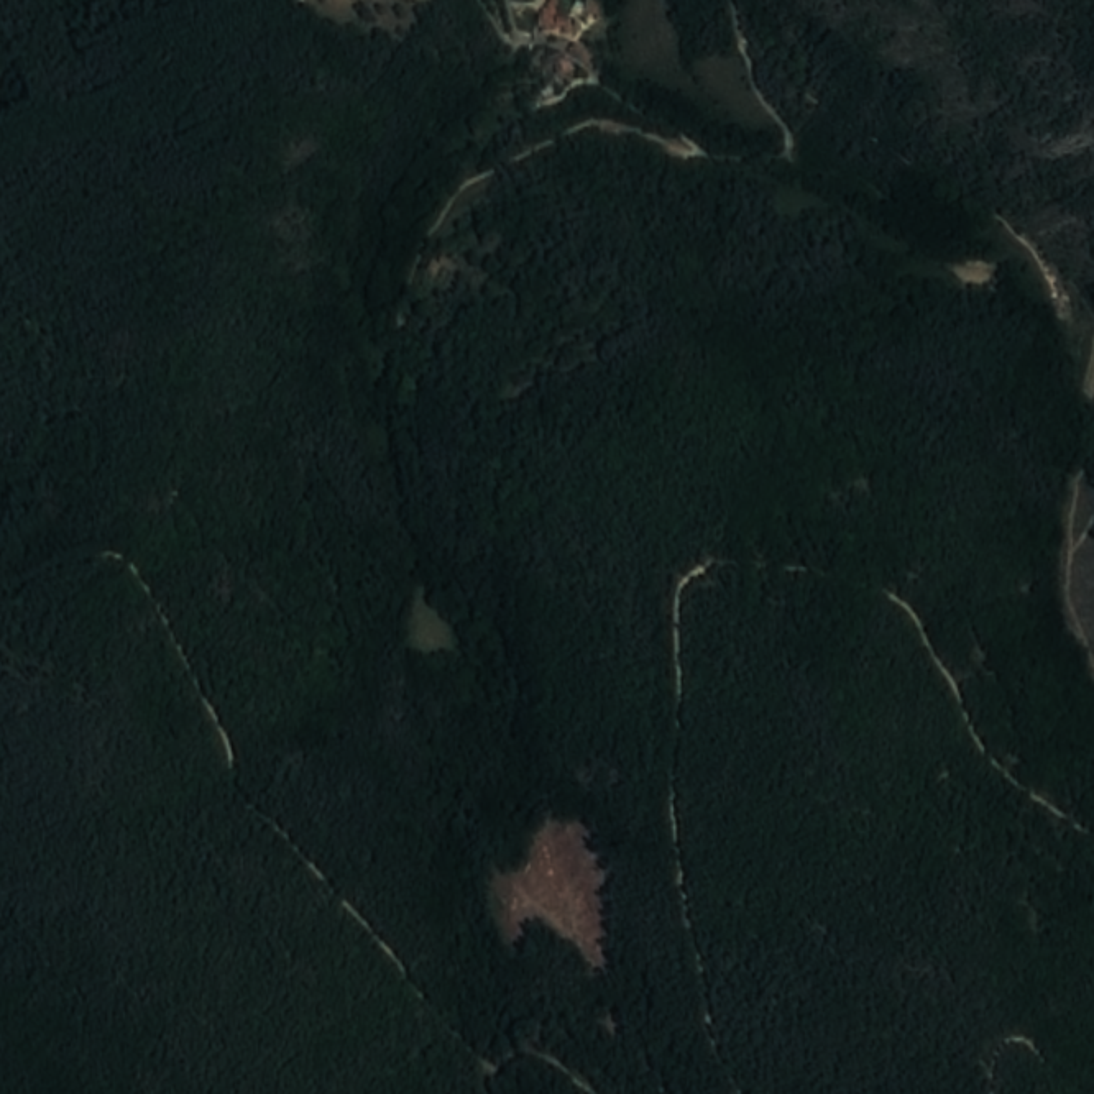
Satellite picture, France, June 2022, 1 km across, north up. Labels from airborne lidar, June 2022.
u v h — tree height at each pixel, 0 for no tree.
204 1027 20
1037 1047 10
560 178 11
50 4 22
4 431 25
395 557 22
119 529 14
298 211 7
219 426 12
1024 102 10
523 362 11
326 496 23
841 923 11
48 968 15
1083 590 0
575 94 7
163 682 14
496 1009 20
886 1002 10
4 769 19
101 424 19
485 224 17
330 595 16
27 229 17
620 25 8
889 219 13
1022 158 9
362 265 18
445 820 17
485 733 20
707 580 12
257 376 19
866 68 25
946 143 9
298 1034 17
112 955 18
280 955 20
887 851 14
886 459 17
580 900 0
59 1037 16
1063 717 17
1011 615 20
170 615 15
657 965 18
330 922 15
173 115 23
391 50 16
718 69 0
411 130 17
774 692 9
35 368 9
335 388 19
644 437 16
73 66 27
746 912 10
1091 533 0
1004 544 22
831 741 10
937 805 19
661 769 12
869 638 15
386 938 22
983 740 13
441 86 12
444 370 17
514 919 0
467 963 14
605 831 22
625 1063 23
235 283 13
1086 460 13
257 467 17
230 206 15
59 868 16
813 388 14
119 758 15
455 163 12
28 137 17
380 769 26
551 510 16
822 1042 14
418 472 22
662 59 0
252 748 14
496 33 8
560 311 9
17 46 21
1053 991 18
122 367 17
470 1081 29
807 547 15
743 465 14
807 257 15
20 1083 12
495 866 34
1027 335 23
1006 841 8
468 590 19
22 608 13
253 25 24
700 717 13
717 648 9
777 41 7
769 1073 13
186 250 15
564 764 14
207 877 23
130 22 19
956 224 12
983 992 12
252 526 18
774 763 11
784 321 16
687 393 16
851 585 16
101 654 12
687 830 12
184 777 14
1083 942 19
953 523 18
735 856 14
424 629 0
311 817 25
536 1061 20
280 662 16
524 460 15
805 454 15
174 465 12
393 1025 21
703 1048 20
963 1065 11
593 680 16
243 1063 20
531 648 17
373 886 22
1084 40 12
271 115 14
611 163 15
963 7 9
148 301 19
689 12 17
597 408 16
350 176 16
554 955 25
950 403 17
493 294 17
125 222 25
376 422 7
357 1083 20
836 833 6
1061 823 8
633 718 13
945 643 21
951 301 13
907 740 15
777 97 16
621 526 8
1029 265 8
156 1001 22
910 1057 9
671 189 15
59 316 11
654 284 12
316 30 23
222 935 19
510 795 23
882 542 15
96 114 31
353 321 20
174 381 18
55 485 24
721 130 9
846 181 6
